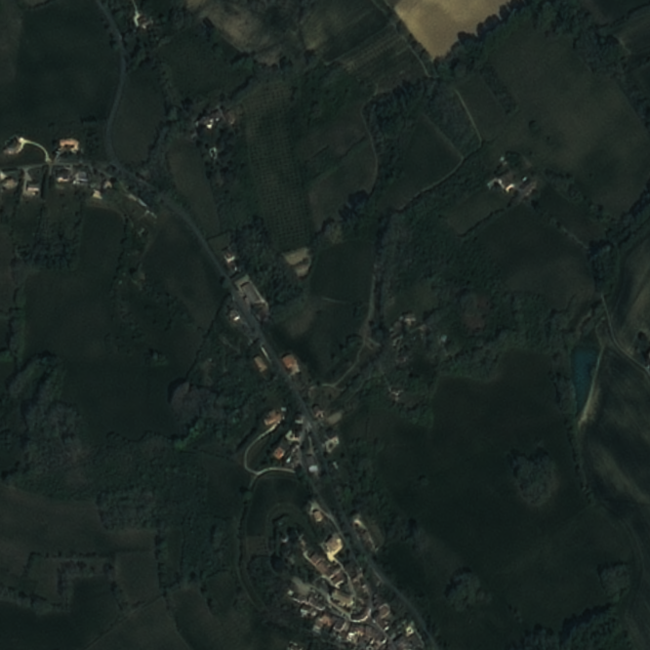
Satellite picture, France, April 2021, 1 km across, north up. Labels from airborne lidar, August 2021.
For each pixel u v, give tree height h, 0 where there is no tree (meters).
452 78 12
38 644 0
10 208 0
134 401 0
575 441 15
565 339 26
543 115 0
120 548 0
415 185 0
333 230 21
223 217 8
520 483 13
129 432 0
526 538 0
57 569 0
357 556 11
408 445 0
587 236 0
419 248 8
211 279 0
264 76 21
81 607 0
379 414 0
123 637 0
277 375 10
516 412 0
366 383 10
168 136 14
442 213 6
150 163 9
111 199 20
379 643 0
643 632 0
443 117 14
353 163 0
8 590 18
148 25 7
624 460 0
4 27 0
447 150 0
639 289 0
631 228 12
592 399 0
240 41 0
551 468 22
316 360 0
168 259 0
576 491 0
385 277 15
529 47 0
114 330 0
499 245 0
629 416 0
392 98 12
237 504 0
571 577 0
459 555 0
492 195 0
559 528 0
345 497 14
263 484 0
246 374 6
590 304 0
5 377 0
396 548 0
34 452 22
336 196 0
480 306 9
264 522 0
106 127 0
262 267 7
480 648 0
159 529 13
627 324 0
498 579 0
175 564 0
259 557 9
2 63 0
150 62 11
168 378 0
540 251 0
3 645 0
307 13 15
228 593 0
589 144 0
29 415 20
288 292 17
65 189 0
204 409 15
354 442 9
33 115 0
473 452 0
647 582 0
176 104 8
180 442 13
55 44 0
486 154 0
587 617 0
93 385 0
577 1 15
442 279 13
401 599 7
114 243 0
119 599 13
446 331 7
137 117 0
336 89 6
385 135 22
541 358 0
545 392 0
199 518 6
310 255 13
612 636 24
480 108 0
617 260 27
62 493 6
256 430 6
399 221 15
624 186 0
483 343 11
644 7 9
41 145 0
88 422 0
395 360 16
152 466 7
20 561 0
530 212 0
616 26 6
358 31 0
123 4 10
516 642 0
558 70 0
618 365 0
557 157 0
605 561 0
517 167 8
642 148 0
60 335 0
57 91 0
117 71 0
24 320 10
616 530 0
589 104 0
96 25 0
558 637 23
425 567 0
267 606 8
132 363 0
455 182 7
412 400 0
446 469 0
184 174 0
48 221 6
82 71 0
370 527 0
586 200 8
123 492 11
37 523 0
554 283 0
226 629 0
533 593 0
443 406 0
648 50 0
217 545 15
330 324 0
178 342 0
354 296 0
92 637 0
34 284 0
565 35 17
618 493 0
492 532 0
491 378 16
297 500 0
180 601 0
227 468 0
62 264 19
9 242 0
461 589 23
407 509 0
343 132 0
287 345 0
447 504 0
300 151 0
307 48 0
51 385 15
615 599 12
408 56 0
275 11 0
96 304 0
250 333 7
